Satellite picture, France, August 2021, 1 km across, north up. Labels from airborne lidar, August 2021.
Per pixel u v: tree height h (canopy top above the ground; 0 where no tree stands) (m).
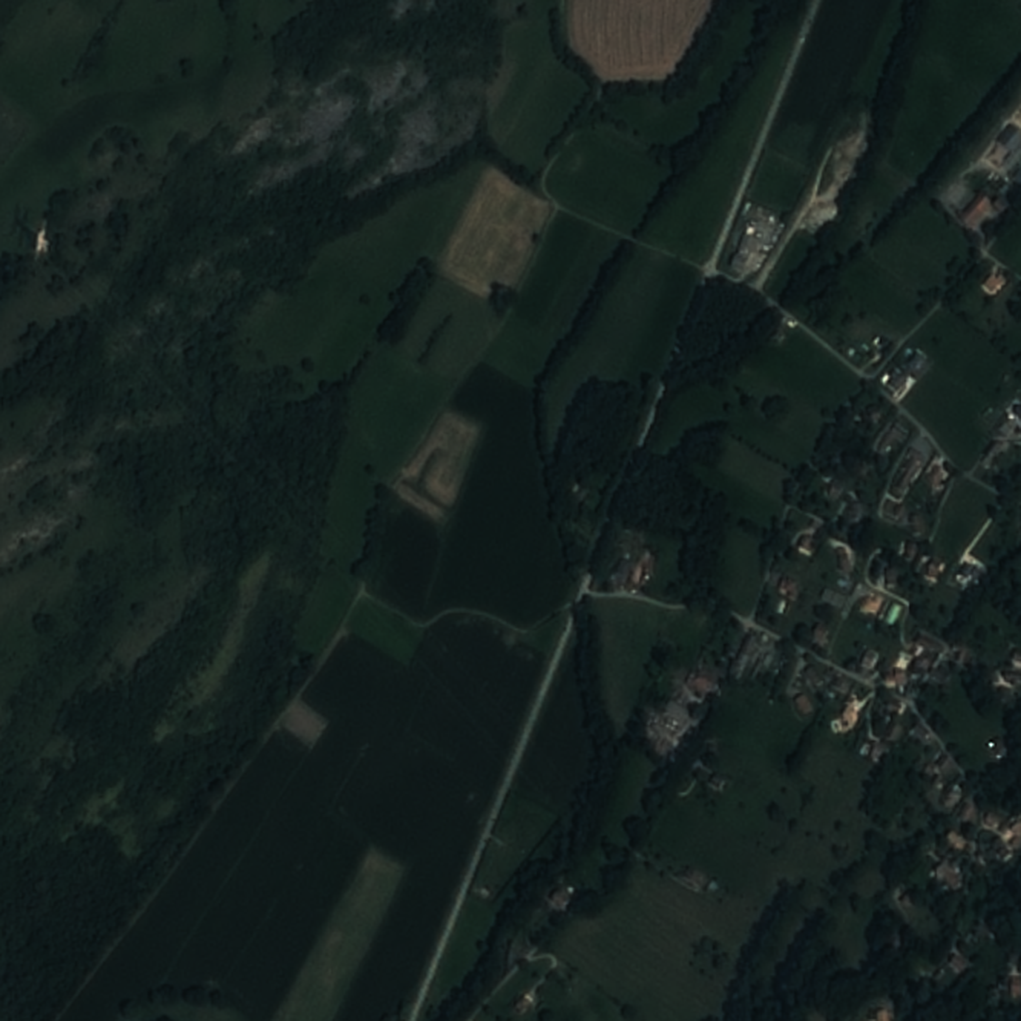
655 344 0
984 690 23
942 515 0
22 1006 18
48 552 10
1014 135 0
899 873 19
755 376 0
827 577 6
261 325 0
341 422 21
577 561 13
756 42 7
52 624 16
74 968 18
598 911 22
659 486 24
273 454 21
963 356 0
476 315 0
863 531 13
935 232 0
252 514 18
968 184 0
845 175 0
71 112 0
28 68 0
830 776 0
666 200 15
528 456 0
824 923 23
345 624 0
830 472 11
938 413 0
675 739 0
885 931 21
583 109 13
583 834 18
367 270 0
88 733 7
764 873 0
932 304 9
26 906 14
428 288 18
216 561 7
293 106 0
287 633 15
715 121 21
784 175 0
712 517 16
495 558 0
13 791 16
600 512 6
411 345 0
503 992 0
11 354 0
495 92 0
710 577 20
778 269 0
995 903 14
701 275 0
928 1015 21
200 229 12
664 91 8
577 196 0
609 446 28
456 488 0
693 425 0
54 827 7
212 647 7
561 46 12
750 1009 24
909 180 0
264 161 11
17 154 0
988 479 6
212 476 17
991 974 0
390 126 8
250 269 11
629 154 0
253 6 0
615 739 10
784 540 16
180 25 0
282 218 16
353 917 0
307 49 14
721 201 0
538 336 0
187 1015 0
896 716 13
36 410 0
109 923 16
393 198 18
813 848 0
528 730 0
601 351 0
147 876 15
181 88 0
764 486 0
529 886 20
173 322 7
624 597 0
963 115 0
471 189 0
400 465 0
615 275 19
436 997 0
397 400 0
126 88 0
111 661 10
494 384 0
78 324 9
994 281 0
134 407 15
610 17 0
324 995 0
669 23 0
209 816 18
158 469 6
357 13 17
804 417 0
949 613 12
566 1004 0
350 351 0
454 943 0
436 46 10
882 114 18
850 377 0
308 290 0
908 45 21
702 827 0
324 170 13
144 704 17
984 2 0
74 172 0
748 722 0
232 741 13
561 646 0
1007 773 18
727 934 0
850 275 0
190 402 14
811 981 22
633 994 0
